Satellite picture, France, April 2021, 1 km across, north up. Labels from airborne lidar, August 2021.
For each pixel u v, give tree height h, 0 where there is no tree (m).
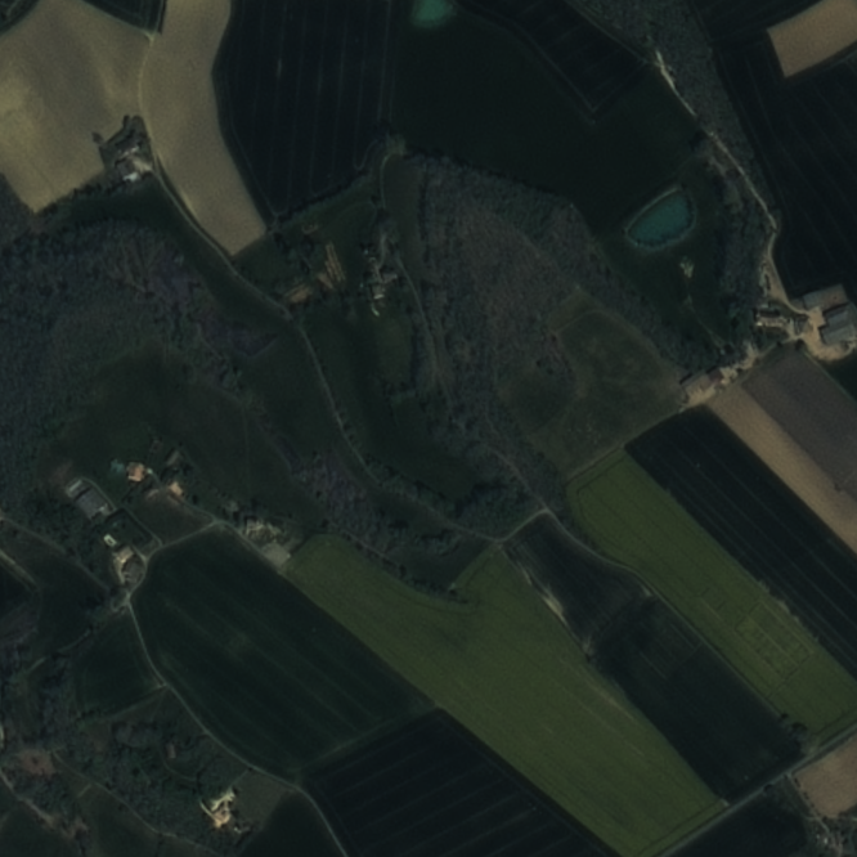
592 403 0
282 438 0
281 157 0
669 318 0
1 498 14
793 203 0
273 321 0
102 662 0
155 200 0
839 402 0
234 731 0
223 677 0
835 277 0
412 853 0
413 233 0
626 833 0
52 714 15
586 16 0
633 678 0
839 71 0
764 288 0
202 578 0
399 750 0
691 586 0
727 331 0
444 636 0
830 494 0
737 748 0
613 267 0
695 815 0
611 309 14
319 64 0
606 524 0
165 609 0
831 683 0
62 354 11
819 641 0
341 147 0
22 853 0
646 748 0
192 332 21
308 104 0
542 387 0
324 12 0
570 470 0
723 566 0
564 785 0
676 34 20
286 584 0
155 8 0
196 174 0
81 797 0
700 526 0
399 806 0
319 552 0
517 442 16
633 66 0
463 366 13
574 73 0
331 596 0
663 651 0
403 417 0
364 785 0
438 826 0
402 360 0
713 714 0
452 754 0
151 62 0
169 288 0
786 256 0
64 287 7
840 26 0
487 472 24
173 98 0
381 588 0
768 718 0
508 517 15
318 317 0
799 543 0
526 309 14
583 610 0
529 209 9
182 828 16
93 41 0
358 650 0
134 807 17
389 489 6
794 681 0
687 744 0
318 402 0
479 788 0
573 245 21
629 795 0
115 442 0
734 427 0
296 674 0
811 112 0
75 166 0
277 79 0
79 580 0
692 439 0
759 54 0
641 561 0
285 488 0
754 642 0
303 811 0
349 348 0
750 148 9
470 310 12
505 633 0
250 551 0
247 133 0
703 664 0
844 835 10
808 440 0
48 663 0
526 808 0
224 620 0
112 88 0
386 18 0
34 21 0
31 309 17
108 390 0
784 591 0
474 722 0
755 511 0
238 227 0
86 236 11
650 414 0
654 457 0
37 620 0
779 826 0
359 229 0
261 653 0
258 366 0
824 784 0
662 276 0
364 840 0
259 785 0
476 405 12
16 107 0
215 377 0
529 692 0
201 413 0
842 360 0
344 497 10
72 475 0
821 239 0
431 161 24
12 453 18
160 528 0
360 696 0
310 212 12
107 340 15
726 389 9
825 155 0
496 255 16
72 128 0
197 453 0
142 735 14
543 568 0
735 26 0
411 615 0
